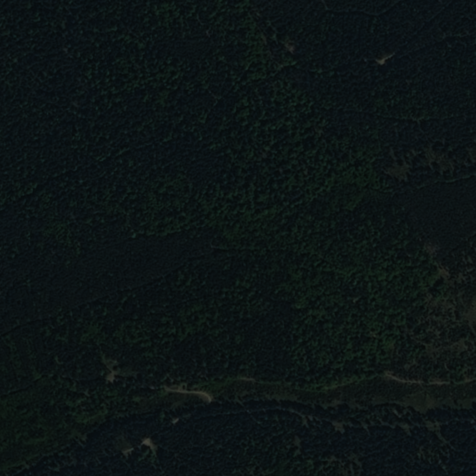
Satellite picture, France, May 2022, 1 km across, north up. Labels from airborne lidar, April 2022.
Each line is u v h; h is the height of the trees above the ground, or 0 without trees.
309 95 24
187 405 13
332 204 13
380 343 21
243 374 17
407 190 18
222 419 20
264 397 6
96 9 30
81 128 27
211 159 24
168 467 22
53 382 8
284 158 11
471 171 18
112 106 27
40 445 12
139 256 19
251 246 15
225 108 23
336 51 20
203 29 21
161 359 24
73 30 34
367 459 14
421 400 0
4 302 19
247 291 22
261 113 18
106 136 23
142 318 20
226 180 19
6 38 28
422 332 11
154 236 23
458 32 20
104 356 17
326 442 22
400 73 22
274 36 11
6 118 27
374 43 23
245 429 21
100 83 27
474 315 0
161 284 20
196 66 23
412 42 23
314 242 17
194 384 19
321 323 23
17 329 17
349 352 22
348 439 25
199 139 19
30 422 18
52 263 20
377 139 20
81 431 9
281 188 17
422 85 22
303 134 26
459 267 7
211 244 9
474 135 15
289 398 0
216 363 19
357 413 8
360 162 22
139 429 25
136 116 30
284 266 18
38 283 21
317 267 18
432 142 19
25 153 24
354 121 25
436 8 21
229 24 23
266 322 19
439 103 19
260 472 10
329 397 6
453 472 18
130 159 21
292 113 23
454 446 26
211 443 16
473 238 8
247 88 14
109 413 15
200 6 22
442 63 22
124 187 20
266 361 17
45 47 26
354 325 20
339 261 21
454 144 17
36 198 22
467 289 9
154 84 24
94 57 23
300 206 14
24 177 29
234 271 22
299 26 17
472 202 17
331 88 20
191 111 21
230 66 22
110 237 23
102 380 22
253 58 20
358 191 15
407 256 23
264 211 21
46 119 30
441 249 18
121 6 23
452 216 17
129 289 17
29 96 29
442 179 16
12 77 24
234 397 8
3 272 22
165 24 17
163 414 18
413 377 7
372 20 18
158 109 25
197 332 21
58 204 25
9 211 23
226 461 16
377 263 22
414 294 20
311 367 17
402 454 28
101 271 20
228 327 21
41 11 23
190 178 29
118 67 26
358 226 20
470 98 22
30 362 12
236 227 14
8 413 12
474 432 26
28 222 22
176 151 25
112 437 26
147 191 22
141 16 20
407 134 15
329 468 12
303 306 18
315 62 21
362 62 23
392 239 16
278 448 8
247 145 18
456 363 8
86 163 34
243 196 25
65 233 20
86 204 20
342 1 16
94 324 21
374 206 14
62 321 21
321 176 16
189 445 20
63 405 12
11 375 15
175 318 20
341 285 21
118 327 19
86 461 24
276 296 23
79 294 17
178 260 21
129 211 22
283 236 15
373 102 22
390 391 7
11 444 11
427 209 17
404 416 11
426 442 24
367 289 24
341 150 30
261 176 13
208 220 22
